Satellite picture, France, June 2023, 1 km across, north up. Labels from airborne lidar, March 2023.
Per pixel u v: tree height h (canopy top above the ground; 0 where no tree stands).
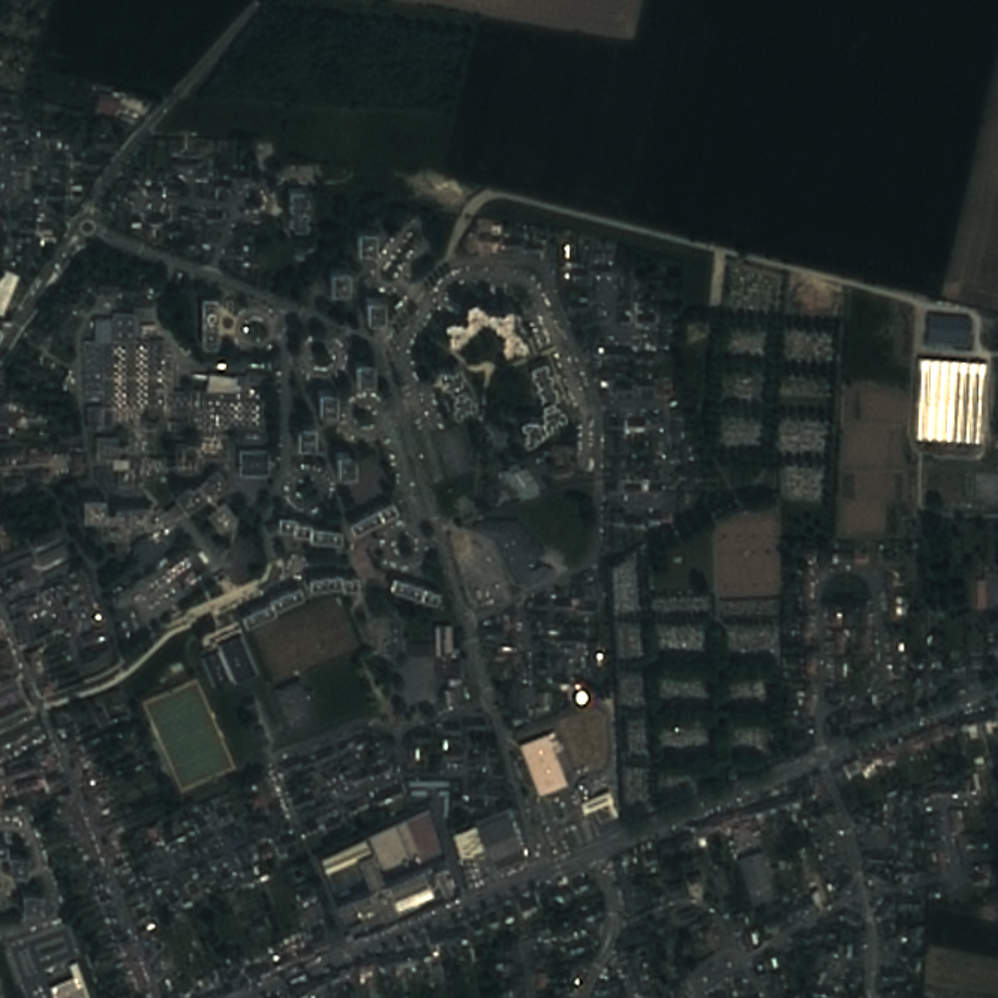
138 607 0
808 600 0
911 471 0
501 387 0
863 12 0
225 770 0
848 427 0
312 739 0
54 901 0
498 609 0
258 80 7
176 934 0
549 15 0
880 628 0
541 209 0
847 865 0
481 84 0
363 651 10
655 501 0
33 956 0
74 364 0
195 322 0
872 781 0
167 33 0
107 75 0
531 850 0
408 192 0
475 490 0
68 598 7
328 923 11
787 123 0
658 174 0
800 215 0
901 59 0
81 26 0
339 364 0
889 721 13
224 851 0
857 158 0
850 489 0
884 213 0
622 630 0
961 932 0
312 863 7
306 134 0
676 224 0
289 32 9
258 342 0
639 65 0
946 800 0
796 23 0
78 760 0
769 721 17
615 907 0
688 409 12
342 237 9
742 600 0
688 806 20
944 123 0
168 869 0
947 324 0
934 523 21
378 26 6
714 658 18
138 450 0
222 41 0
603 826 0
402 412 0
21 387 14
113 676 0
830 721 10
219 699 0
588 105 0
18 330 0
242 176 0
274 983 0
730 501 17
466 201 0
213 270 0
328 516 11
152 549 0
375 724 0
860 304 0
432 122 0
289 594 0
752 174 0
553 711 0
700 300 0
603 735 0
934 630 6
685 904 0
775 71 0
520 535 0
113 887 0
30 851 0
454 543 0
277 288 10
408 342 0
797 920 0
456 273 0
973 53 0
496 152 0
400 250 0
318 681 0
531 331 12
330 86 10
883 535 0
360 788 0
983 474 0
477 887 0
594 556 0
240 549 0
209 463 0
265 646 0
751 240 0
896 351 0
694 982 0
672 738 0
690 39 0
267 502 13
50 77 0
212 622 12
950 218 0
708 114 0
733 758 18
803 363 8
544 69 0
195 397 0
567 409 0
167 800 13
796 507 0
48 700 0
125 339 0
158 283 15
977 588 0
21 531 11
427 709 10
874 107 0
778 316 11
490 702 0
